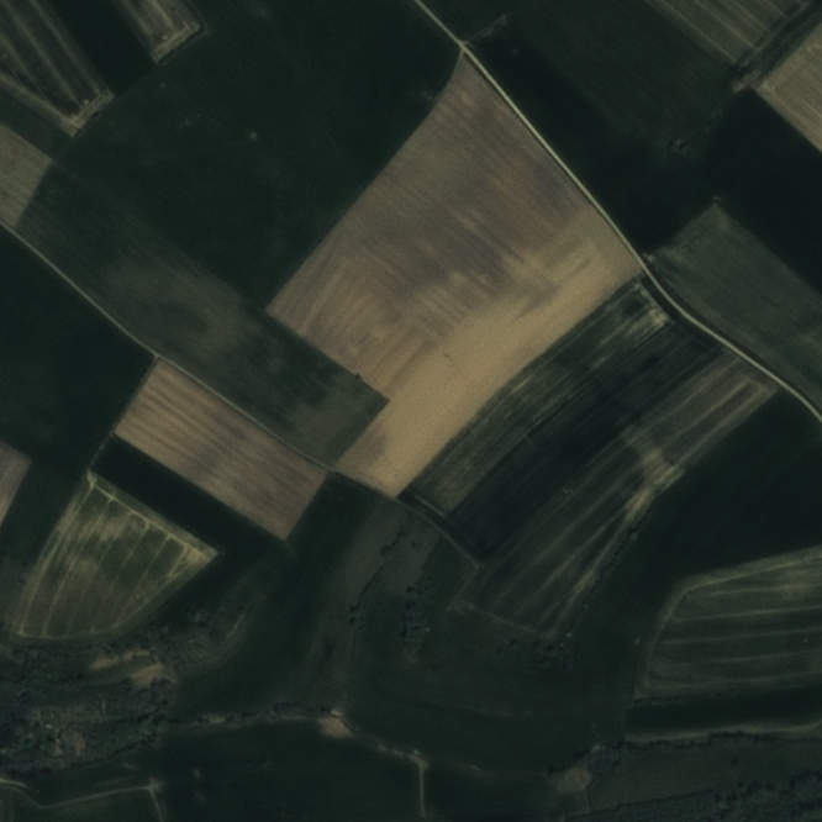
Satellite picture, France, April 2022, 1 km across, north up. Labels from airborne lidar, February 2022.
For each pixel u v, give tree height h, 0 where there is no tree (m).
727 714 0
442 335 0
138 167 0
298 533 0
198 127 0
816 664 0
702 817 7
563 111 0
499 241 0
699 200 0
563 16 0
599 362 0
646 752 8
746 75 0
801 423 0
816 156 0
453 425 0
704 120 0
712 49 0
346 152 0
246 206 0
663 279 6
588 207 0
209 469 0
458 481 0
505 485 0
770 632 0
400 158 0
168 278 0
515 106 0
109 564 0
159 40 0
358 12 0
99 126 0
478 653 0
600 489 0
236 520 0
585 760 16
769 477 0
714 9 0
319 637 0
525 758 0
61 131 0
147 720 6
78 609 0
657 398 0
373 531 0
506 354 0
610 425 0
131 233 0
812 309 0
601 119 0
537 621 0
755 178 0
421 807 0
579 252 0
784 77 0
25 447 0
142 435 0
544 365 0
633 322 0
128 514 0
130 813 0
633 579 0
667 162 0
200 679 0
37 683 10
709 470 0
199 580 0
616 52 0
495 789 0
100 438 0
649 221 0
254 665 0
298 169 0
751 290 0
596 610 0
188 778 0
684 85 0
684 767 0
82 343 0
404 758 0
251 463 0
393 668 0
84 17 0
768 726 0
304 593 0
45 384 0
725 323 0
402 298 0
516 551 0
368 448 0
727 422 0
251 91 0
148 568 0
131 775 0
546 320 0
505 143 0
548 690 0
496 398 0
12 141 0
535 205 0
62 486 0
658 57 0
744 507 0
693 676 0
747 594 0
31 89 0
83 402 0
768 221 0
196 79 0
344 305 0
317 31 0
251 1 0
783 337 0
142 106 0
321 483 0
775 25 0
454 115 0
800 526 0
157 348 0
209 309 0
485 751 0
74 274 0
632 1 0
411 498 0
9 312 0
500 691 0
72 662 13
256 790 0
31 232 0
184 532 0
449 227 0
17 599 0
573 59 0
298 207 0
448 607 0
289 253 0
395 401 0
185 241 0
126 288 0
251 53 0
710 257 0
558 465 0
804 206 0
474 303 0
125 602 0
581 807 0
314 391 0
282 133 0
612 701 0
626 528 0
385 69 0
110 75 0
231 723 10
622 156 0
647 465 0
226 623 0
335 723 0
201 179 0
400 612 0
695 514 0
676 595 0
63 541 0
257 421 0
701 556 0
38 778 17
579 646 0
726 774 0
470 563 0
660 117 0
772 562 0
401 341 0
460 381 0
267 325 0
